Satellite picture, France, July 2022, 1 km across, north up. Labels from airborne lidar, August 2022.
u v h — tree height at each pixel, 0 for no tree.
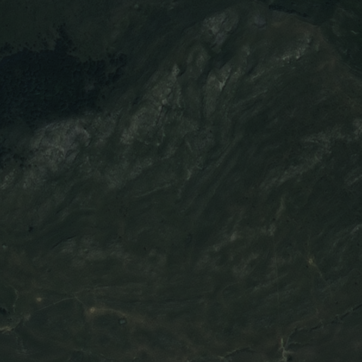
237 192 0
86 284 0
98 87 6
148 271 0
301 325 0
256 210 0
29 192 0
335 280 0
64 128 0
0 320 0
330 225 0
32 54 19
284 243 0
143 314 0
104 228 0
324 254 0
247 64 0
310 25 0
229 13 0
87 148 0
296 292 0
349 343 0
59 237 0
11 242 0
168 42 0
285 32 0
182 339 0
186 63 0
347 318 0
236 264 0
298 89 0
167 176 0
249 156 0
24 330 0
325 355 0
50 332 0
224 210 0
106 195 0
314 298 0
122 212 0
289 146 0
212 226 0
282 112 0
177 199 0
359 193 0
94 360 0
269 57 0
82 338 0
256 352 0
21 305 0
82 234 0
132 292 0
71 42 12
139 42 0
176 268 0
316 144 0
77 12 0
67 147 0
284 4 0
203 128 0
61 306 0
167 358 0
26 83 21
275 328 0
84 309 0
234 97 0
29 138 0
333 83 0
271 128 0
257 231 0
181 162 0
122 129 0
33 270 0
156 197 0
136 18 0
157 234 0
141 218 0
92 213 0
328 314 0
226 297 0
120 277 0
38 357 0
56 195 0
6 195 0
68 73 21
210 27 0
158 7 0
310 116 0
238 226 0
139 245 0
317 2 0
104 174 0
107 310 0
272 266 0
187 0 0
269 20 0
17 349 0
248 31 0
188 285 0
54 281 0
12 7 0
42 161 0
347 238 0
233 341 0
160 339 0
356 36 0
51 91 18
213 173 0
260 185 0
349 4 0
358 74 0
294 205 0
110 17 0
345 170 0
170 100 0
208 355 0
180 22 0
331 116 0
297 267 0
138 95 0
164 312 0
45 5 0
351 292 0
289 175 0
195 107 0
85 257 0
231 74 0
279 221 0
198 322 0
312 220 0
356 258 0
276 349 0
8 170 0
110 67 0
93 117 0
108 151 0
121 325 0
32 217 0
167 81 0
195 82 0
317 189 0
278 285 0
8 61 21
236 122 0
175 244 0
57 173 0
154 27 0
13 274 0
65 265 0
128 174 0
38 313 0
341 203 0
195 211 0
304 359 0
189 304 0
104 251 0
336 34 0
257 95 0
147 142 0
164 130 0
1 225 0
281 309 0
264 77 0
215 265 0
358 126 0
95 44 0
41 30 0
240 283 0
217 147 0
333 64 0
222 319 0
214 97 0
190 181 0
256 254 0
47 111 12
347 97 0
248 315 0
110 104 0
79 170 0
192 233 0
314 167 0
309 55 0
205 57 0
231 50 0
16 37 0
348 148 0
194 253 0
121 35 0
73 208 0
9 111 7
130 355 0
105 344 0
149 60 0
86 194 0
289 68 0
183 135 0
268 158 0
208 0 0
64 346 0
